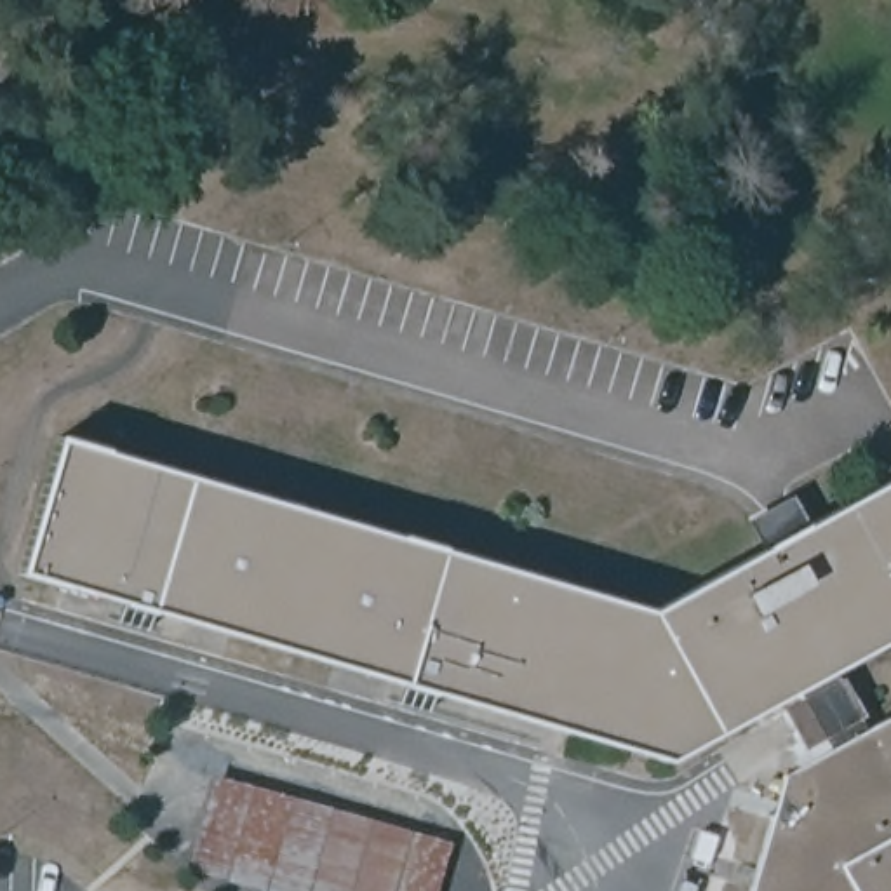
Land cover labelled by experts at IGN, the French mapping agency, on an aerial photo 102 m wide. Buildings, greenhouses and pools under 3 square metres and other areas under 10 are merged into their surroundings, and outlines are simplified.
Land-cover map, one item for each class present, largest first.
<instances>
[{"label":"herbaceous vegetation","instance_id":"1","mask_svg":"<svg viewBox=\"0 0 891 891\"><path fill-rule=\"evenodd\" d=\"M181 3H188L202 28H216V38L226 52L230 97L265 104L278 115V125L258 146L261 157L282 167L275 184L254 191H230L223 184V171L212 167L202 174V198L181 209L191 223H216L244 237L247 247L258 251L289 254L296 261L313 258V265L331 271L352 268L358 282L407 292L414 299L432 296L449 306L459 296L487 310H512L550 327L585 331L595 334L592 348L633 355L644 362H658L668 372H689L731 386H752L755 379H762V372L776 376L783 369H801L804 362L821 365L825 355H832L835 341H846L839 331L814 341L811 334L783 327L780 358L759 365L752 358L734 355L724 331L707 334L703 341H661L644 317L630 313L620 299H609L602 306H581L567 299L564 306H557L550 285L533 268H526L522 258L512 251L508 219H494L487 209L501 181L522 174L536 184L564 181L574 191L595 195L616 226L626 216H633L640 209L637 202L644 188V139L637 136L640 118L630 115V108L647 90H661V111H682V90L675 84L696 66V59L710 52V24H727L741 38L738 56L724 70V84L734 94V104L752 118L738 129V143L727 150V171L734 174L731 195L741 202L717 216V233L731 237V265L738 268L734 299L741 310L755 313L762 324H776V317L787 310V296L780 303H769L766 289L783 282L797 230L811 216L832 219L835 205L846 195V174L860 164V157L870 153L874 178L891 181V136H874L870 129H860L846 111L856 108L863 90L870 87V77L860 66L825 80H807L804 87H783L776 80V63H797L821 38V17L807 0H668L661 14H654L661 28L654 31L606 28L585 14L578 21H564L560 31L546 24V0H432L425 10L404 21L358 31L345 24V17L334 10V0H101L108 17L97 28H77L73 66H90L101 49L115 45L118 31H153L160 17H171ZM519 31L546 35L543 59L550 73H515L508 52ZM442 42H449V97L459 101L466 87H477L480 97V122H473V129L466 132V178L449 181V188L442 191V205L473 216L477 226L442 258L414 261L365 237V230H358L341 209V195L358 178H365V171L345 157V150L358 143L355 129L365 115L348 94L338 90L345 87V77L355 70L358 56L425 59ZM846 327L860 331L870 355L877 358L884 379L881 397L891 411V285L884 292L863 296L853 306ZM73 435L212 480L299 501L320 512L449 543L477 557L515 564L536 574L574 581L644 606H668L686 592L759 557V522L748 519V505L741 498L693 477H665L651 459L578 442L567 435H519L512 425H494L477 414L449 411L432 397L407 393L400 386H386L376 379L345 383L334 372L306 369L299 358H289L282 352L265 358L237 352L233 338L212 341L174 327L153 331L150 324H139L132 331L129 320L115 324L108 317L104 303H87L70 313L63 303H52L0 331V553H7L10 533L24 536L21 553H28L35 543L59 446ZM512 494H539V512L553 505L557 526L546 533L501 522L498 512ZM863 456H874L877 480L884 484H891V425H877L867 439L856 442V449ZM797 491L814 522L839 508L835 501H825L818 484H801ZM45 675H52V682L45 686L42 703L59 717L73 720V727L87 734L90 745H97L132 776H143L164 752H171V741H153V738H150V731H146V720H150V713L157 710V707H164L160 693L70 672L59 665H45ZM125 804L90 769H84L70 755V748H63L49 731H42L24 713H14L0 700V842H14V849L28 856L31 870L38 874L42 863H56V874H66L77 888H87L129 842L111 832V818ZM97 891H205L167 853L160 860H150L143 853L132 867H122Z\"/></svg>","mask_w":891,"mask_h":891},{"label":"impervious surface","instance_id":"2","mask_svg":"<svg viewBox=\"0 0 891 891\"><path fill-rule=\"evenodd\" d=\"M52 303H63L70 313L87 303H104L108 317L115 324L129 320L132 331L139 324H150L153 331L174 327L212 341L233 338L237 352L265 358L282 352L289 358H299L306 369L334 372L345 383L376 379L386 386H400L407 393L432 397L449 411L477 414L494 425H512L519 435H567L578 442L651 459L665 477H693L741 498L748 505V519L759 522L773 494L797 491L801 484H818L835 466V459L856 449V442L867 439L877 425H891V411L881 397L884 379L877 358L870 355L860 331L846 327L839 331L846 341H835L832 355H825L821 365L804 362L801 369H783L776 376L762 372V379H755L752 386H731L689 372H668L658 362H644L633 355L592 348L595 334L585 331L550 327L512 310H487L459 296L449 306L432 296L414 299L407 292L358 282L352 268L331 271L313 265V258L296 261L289 254L258 251L247 247L244 237L216 223H191L181 209L171 223H164V230H146L139 223L97 226L90 230L87 244L73 254H63L56 261L21 258L0 268V331ZM24 536L10 533L7 553H0V700L14 713H24L42 731H49L63 748H70V755L84 769H90L125 804H132V814L143 825V832L129 842L87 888H77L66 874H56V863H42L38 874L31 870L28 856L14 849V842H0V891H97L122 867H132L143 853L150 860H160L167 853L205 891H254L219 884L178 846V828L188 818L209 828L216 811V787L223 776L449 842L452 849L439 891H748L766 821L734 807L731 797L741 790H759L766 801H776V790H769V783H797L807 773V766H818L832 755V741L804 745L794 713L776 703L755 713L759 731L727 738L720 748L700 755L689 766H665L626 755L623 766L571 762L564 745L571 738V727L501 710L480 700L446 693V700H432L358 675L331 672L313 661L261 651L251 644L233 647L198 630H188L184 637H174V644H167L164 620L157 616L132 609L108 613L97 609L90 599L59 595L45 585L28 581V553H21ZM45 665H59L70 672L160 693L164 707H167V717H171V720H178V727H174V738H171V752H164L143 776H132L97 745H90L87 734L73 727V720L59 717L42 703L45 686L52 682V675H45Z\"/></svg>","mask_w":891,"mask_h":891},{"label":"building","instance_id":"3","mask_svg":"<svg viewBox=\"0 0 891 891\"><path fill-rule=\"evenodd\" d=\"M759 557L686 592L668 606H644L574 581L536 574L515 564L477 557L449 543L320 512L299 501L212 480L73 435L59 446L35 543L28 553V581L45 585L59 595L90 599L97 609L108 613L132 609L157 616L164 620L167 644H174V637H184L188 630H198L233 647L251 644L261 651L313 661L331 672L358 675L432 700H446V693L480 700L501 710L571 727V738L616 748L626 755L665 766H689L700 755L720 748L727 738L759 731L755 713L776 703L794 713L804 745L832 741V755L818 766H807V773L797 783H769V790H776V801H766L759 790H741L731 797L734 807L766 821L748 891H891V484H884L874 494L839 508L814 522L797 491L773 494L759 522ZM178 846L219 884L254 891H439L452 849L449 842L223 776L216 787V811L209 828L188 818L178 828Z\"/></svg>","mask_w":891,"mask_h":891},{"label":"deciduous trees","instance_id":"4","mask_svg":"<svg viewBox=\"0 0 891 891\"><path fill-rule=\"evenodd\" d=\"M108 17L101 0H0V268L21 258L56 261L63 254H73L87 244L90 230L97 226L139 223L146 230H164V223H171L181 209L202 198V174L212 167L223 171V184L230 191H254L275 184L282 167L261 157L258 146L278 125V115L265 104L230 97L226 52L216 38V28H202L188 3H181L171 17H160L153 31H118L115 45L101 49L90 66H73L77 28H97ZM432 0H334V10L345 17V24L358 31L404 21L425 10ZM668 0H546V24L560 31L564 21H578L585 14L606 28L654 31L661 28L654 14H661ZM821 17V38L797 63H776V80L783 87H804L807 80H825L860 66L870 77V87L863 90L856 108L846 111L860 129H870L874 136H891V0H807ZM710 52L696 59V66L675 84L682 90V111H661V90H647L630 108V115L640 118L637 136L644 139V188L637 202L640 209L633 216H626L616 226L595 195L574 191L564 181L536 184L522 174L501 181L487 209L494 219H508L512 251L522 258L526 268H533L550 285L557 306H564L567 299L581 306H602L609 299H620L630 313L644 317L661 341H703L707 334L724 331L734 355L752 358L759 365L780 358L783 327L811 334L814 341L839 331L846 327L853 306L863 296L884 292L891 285V181L874 178L870 153L860 157V164L846 174V195L835 205L832 219L811 216L797 230L783 282L766 289L769 303H780L787 296V310L776 317V324H762L755 313L741 310L734 299L738 268L731 265V237L717 233V216L741 202L731 195L734 174L727 171V150L738 143V129L752 118L734 104V94L724 84V70L738 56L741 38L727 24H710ZM546 35L519 31L508 52L515 73H550L543 59ZM449 42H442L425 59L358 56L355 70L345 77V87L338 90L348 94L365 115L355 129L358 143L345 150V157L365 171V178H358L341 195V209L358 230H365V237L414 261L442 258L477 226L473 216L442 205V191L449 188V181L466 178V132L473 129V122H480V97L477 87H466L459 101L449 97ZM825 501H835L839 508L874 494L884 484L877 480L874 456H863L856 449L835 459V466L818 484ZM501 522L546 533L557 526L553 505L539 512V494H512L498 512ZM174 727H178V720H171V717H167V707H157V710L150 713V720H146V731H150V738H153V741H171V738H174ZM571 762L623 766L626 755L616 748L571 738L564 745ZM111 832L129 842L143 832V825L132 814V804H125L111 818Z\"/></svg>","mask_w":891,"mask_h":891}]
</instances>
